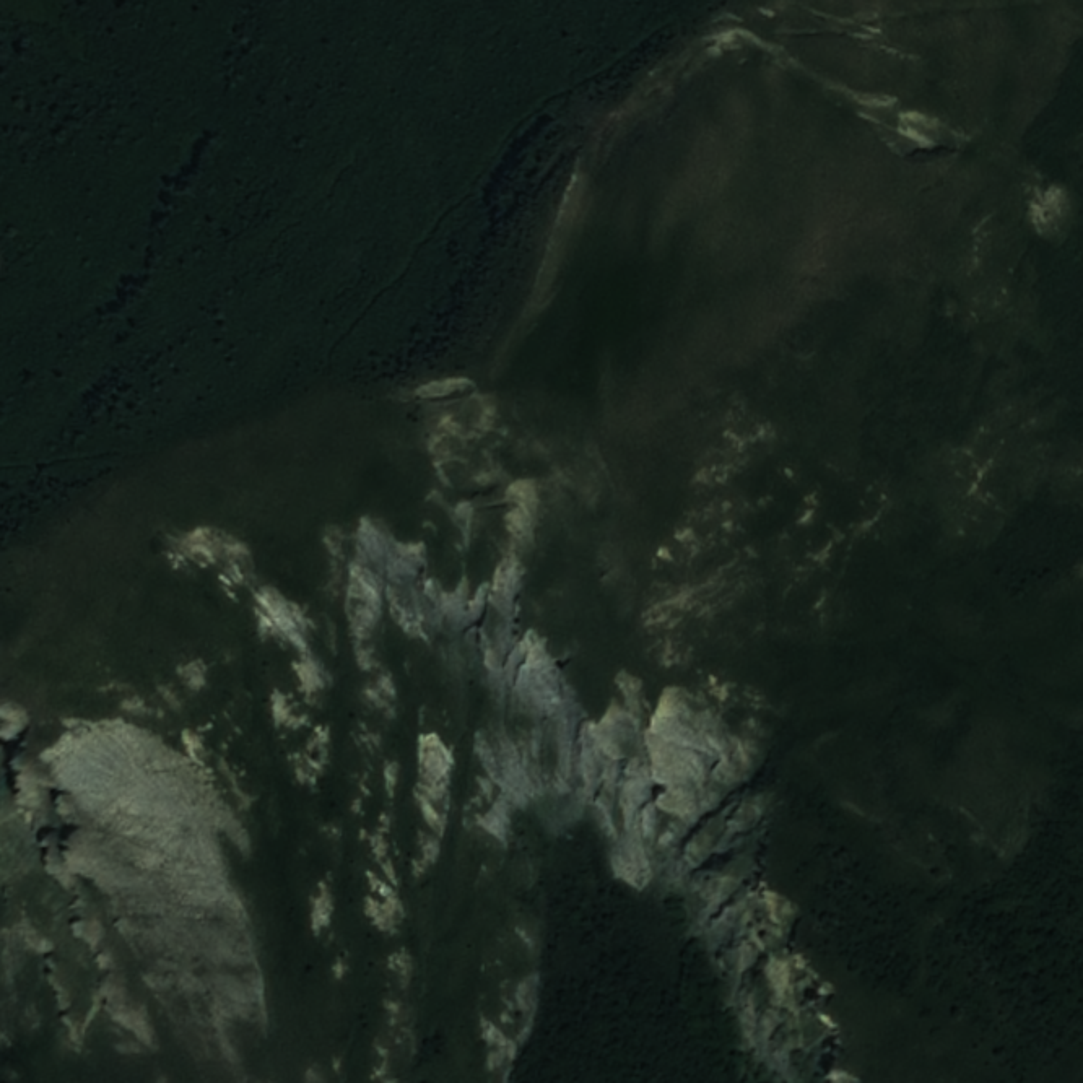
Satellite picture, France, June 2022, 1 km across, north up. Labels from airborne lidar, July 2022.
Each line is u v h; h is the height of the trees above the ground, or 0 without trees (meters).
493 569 0
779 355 0
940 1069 0
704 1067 10
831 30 0
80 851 0
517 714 0
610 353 0
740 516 0
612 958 8
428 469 0
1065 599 0
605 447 0
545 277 0
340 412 0
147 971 0
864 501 0
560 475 0
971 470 0
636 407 0
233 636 0
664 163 0
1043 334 0
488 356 0
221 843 0
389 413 0
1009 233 0
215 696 0
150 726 0
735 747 0
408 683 0
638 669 0
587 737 0
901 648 0
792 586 0
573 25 6
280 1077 0
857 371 0
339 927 0
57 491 9
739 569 0
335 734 0
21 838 0
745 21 0
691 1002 17
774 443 0
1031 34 0
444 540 0
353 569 0
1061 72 0
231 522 0
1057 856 12
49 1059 0
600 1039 6
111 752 0
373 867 0
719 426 0
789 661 0
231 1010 0
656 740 0
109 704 0
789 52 0
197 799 0
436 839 0
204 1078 0
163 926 0
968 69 0
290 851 0
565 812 0
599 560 0
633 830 0
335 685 0
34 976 0
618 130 0
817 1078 9
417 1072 0
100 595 0
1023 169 0
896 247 0
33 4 0
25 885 0
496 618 0
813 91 0
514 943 0
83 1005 0
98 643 0
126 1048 0
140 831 0
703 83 0
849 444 0
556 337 0
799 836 0
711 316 0
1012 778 0
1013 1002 8
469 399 0
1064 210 0
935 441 0
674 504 0
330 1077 0
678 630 0
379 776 0
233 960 0
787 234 0
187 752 0
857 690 0
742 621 0
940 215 0
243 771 0
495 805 0
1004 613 0
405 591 0
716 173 0
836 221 0
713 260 0
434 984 0
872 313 0
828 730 0
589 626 0
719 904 0
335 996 0
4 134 7
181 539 0
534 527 0
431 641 0
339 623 0
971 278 0
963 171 0
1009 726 0
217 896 0
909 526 0
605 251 0
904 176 0
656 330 0
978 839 0
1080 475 0
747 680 0
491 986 0
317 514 0
